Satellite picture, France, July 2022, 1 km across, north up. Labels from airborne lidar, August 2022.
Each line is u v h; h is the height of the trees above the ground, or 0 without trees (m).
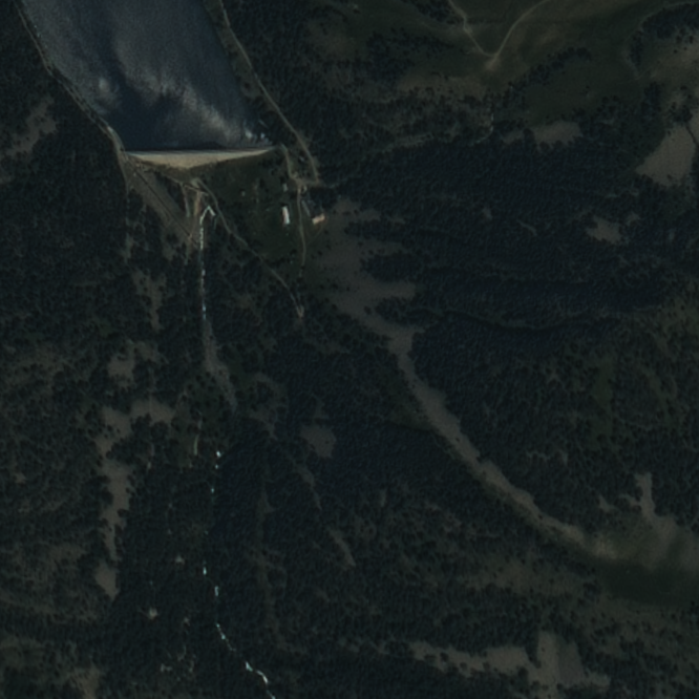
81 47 0
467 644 16
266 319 7
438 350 13
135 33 0
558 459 11
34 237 15
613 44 0
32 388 13
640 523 0
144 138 0
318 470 18
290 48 8
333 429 8
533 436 15
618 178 6
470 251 11
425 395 0
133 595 12
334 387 8
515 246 6
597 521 17
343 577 9
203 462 11
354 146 11
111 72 0
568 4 0
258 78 16
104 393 15
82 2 0
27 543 9
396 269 9
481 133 9
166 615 14
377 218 0
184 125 0
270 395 8
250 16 15
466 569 9
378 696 15
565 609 7
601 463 14
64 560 7
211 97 0
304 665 18
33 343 9
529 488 14
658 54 0
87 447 10
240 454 14
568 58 8
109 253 14
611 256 9
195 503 14
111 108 0
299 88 14
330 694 6
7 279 11
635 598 0
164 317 11
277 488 13
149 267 9
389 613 16
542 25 0
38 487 9
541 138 0
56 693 18
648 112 10
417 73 0
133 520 14
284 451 10
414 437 13
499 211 9
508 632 16
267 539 12
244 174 0
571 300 8
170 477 14
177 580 11
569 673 0
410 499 12
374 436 17
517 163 14
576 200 8
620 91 0
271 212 0
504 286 12
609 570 0
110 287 15
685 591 0
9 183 8
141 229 10
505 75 0
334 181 14
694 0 0
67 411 12
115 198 10
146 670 8
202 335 15
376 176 12
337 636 15
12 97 12
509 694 12
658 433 16
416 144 0
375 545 8
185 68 0
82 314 14
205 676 13
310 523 15
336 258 0
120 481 0
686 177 0
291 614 10
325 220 0
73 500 11
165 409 0
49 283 13
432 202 8
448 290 9
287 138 13
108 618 11
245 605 18
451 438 0
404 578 12
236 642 14
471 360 8
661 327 7
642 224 8
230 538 12
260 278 11
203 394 0
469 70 0
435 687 21
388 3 0
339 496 10
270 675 6
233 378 9
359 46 0
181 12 0
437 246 11
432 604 12
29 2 0
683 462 10
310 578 12
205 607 13
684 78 0
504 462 13
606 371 0
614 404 12
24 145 0
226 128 0
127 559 17
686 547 0
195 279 12
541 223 8
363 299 0
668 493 11
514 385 11
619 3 0
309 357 17
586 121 8
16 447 10
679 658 9
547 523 0
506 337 15
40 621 11
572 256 10
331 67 8
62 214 12
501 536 8
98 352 16
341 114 10
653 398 10
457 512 6
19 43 7
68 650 16
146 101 0
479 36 0
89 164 13
